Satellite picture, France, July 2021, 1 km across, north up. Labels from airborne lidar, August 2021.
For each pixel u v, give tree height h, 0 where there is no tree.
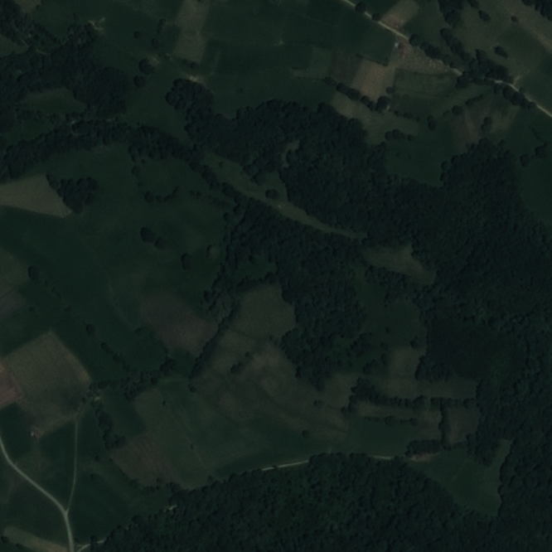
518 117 0
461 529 26
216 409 0
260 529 22
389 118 0
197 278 0
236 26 0
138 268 0
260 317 0
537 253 17
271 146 25
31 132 0
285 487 7
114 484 0
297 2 0
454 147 0
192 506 23
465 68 0
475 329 7
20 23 16
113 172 0
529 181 0
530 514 24
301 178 28
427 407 14
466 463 0
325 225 20
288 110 26
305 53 0
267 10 0
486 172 24
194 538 13
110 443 11
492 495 0
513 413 25
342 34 0
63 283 0
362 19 0
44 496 0
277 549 18
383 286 14
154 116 0
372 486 32
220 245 7
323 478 31
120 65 0
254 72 0
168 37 0
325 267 28
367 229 28
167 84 0
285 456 0
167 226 0
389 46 0
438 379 10
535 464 24
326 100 0
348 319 26
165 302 0
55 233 0
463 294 24
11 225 0
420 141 0
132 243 0
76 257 0
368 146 17
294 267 24
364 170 19
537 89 0
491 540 20
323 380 18
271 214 23
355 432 0
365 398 11
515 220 23
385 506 9
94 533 0
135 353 0
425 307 25
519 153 0
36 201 0
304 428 0
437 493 25
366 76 0
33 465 0
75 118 12
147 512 0
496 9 0
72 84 21
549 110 0
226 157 15
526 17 0
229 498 24
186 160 22
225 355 0
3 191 0
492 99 0
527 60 0
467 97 0
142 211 0
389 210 12
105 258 0
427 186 12
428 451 19
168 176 0
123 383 14
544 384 25
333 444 0
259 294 0
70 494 0
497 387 11
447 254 14
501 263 20
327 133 20
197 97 24
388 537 12
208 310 6
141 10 0
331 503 21
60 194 15
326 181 17
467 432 0
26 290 0
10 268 0
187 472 0
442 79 0
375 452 0
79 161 0
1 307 0
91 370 0
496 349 12
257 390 0
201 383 0
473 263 28
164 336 0
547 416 27
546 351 30
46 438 0
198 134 19
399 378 0
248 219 17
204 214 0
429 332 6
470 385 0
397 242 14
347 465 25
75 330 0
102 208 0
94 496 0
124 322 0
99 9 0
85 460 0
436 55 19
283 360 0
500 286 20
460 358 10
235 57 0
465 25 0
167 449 0
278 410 0
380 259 0
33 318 0
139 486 7
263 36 0
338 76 0
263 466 0
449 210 17
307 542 30
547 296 12
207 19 0
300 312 15
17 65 19
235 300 11
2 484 0
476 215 19
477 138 0
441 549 31
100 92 20
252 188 0
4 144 19
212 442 0
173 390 0
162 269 0
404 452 0
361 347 18
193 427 0
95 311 0
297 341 19
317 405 12
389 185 11
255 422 0
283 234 24
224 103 0
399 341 0
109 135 20
